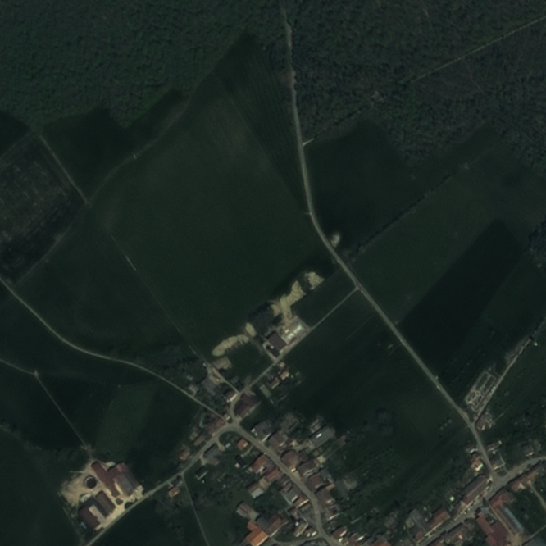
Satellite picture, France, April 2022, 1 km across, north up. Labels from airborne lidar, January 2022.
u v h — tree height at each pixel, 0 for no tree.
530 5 22
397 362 0
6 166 0
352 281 0
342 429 0
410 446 0
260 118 0
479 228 0
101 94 25
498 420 0
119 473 0
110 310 0
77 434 0
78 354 0
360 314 0
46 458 0
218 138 0
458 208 0
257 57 0
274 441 0
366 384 0
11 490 0
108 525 0
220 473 0
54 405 0
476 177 0
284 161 0
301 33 19
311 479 0
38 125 19
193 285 0
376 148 0
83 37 24
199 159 0
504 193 0
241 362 0
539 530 0
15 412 0
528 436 12
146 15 23
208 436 15
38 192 0
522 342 0
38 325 0
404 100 26
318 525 0
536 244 19
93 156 0
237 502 0
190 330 0
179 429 0
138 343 0
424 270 0
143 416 0
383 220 0
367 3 23
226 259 0
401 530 7
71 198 0
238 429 0
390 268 0
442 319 0
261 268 0
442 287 0
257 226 0
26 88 24
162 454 0
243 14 23
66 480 0
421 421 0
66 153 0
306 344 0
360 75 28
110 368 0
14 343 0
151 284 0
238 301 0
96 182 0
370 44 20
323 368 0
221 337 0
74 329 0
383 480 8
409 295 0
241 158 0
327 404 0
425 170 0
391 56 24
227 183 0
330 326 0
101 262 0
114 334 0
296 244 0
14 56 23
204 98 0
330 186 0
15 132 0
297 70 20
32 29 24
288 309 0
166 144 0
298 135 0
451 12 20
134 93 24
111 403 0
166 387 0
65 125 0
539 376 0
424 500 0
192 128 0
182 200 0
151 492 0
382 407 0
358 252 10
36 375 0
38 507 0
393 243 0
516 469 0
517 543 0
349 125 22
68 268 0
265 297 0
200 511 7
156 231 0
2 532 0
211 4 25
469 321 0
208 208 0
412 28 25
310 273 0
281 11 19
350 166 0
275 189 0
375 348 0
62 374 0
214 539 0
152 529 0
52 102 23
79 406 0
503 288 0
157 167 0
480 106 14
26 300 0
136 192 0
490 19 24
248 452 0
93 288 0
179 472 0
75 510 0
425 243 0
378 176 0
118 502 0
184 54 27
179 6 24
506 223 0
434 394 0
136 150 0
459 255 0
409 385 0
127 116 21
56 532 0
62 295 0
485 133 0
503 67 17
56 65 24
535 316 0
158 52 24
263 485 0
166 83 24
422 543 0
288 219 0
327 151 0
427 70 19
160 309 0
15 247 0
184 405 0
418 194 0
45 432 0
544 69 13
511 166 0
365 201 0
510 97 24
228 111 0
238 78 0
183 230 0
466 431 0
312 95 24
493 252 0
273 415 0
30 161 0
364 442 0
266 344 0
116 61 24
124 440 0
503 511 0
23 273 0
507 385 0
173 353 14
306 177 0
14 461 0
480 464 0
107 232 0
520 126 23
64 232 0
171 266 0
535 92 24
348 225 0
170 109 0
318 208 0
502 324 0
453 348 0
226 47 25
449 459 0
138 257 0
